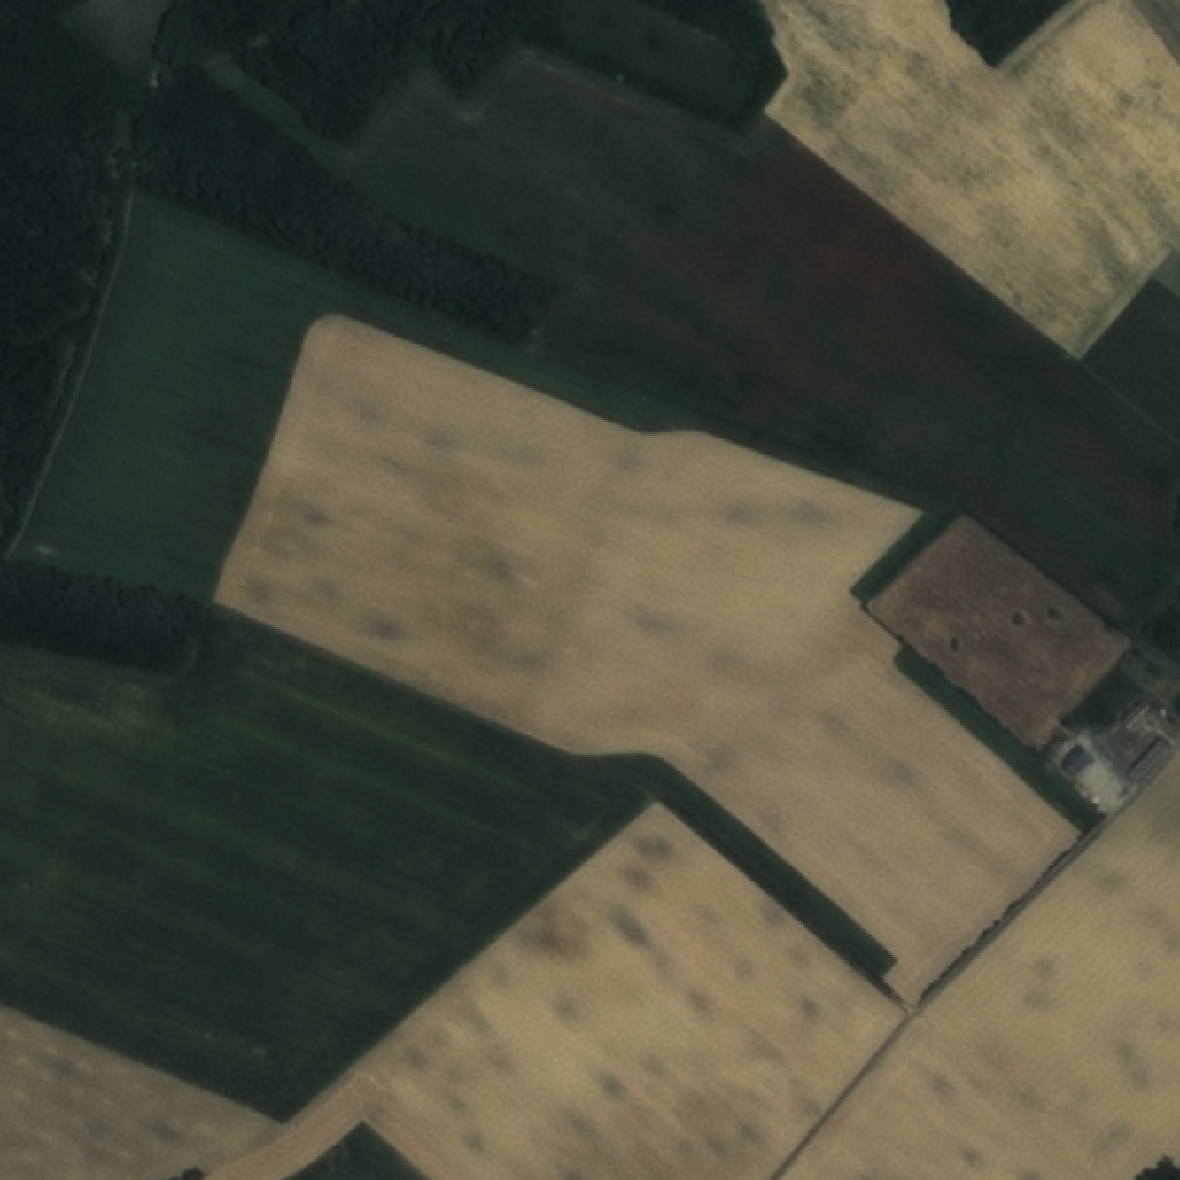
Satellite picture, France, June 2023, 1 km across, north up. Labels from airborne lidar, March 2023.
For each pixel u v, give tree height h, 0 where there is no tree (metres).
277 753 0
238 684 0
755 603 0
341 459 0
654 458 0
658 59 0
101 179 17
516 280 20
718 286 0
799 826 0
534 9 21
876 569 0
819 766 0
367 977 0
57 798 0
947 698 0
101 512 0
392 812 0
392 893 0
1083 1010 0
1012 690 0
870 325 0
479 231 0
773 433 0
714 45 0
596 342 0
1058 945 0
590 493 0
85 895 0
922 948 0
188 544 0
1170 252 0
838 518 0
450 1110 0
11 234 25
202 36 24
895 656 0
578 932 0
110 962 0
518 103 0
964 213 0
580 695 0
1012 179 0
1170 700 0
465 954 0
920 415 0
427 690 0
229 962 0
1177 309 0
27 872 0
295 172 16
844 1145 0
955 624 0
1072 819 0
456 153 0
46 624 19
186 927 0
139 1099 0
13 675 0
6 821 0
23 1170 0
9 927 0
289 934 0
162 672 14
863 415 0
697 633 0
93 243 20
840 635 0
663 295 0
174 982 0
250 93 0
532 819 0
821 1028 0
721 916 0
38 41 18
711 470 0
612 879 0
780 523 0
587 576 0
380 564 0
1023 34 12
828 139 0
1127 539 0
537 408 0
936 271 0
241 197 23
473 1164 0
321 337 0
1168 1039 0
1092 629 0
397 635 0
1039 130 0
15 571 21
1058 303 0
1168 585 0
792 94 0
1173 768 0
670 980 0
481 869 0
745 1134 0
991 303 0
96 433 0
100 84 19
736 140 0
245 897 0
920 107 0
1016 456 0
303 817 0
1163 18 0
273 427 0
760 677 0
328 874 0
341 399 0
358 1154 0
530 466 0
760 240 0
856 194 0
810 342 0
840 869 0
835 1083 0
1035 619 0
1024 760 0
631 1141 0
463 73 24
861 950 0
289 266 0
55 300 17
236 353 0
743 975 0
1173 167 0
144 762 0
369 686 0
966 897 0
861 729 0
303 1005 0
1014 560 0
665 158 0
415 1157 0
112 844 0
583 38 0
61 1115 0
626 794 0
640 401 0
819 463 0
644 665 0
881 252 0
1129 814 0
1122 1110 0
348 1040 0
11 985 0
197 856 0
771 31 20
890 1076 0
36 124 17
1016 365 0
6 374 9
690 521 0
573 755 0
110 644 18
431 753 0
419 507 0
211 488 0
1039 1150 0
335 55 26
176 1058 0
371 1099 0
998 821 0
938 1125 0
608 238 0
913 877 0
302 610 0
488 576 0
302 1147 0
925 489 0
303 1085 0
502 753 0
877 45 0
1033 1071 0
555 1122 0
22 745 0
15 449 17
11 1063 0
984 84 0
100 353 0
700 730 0
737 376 0
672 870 0
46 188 20
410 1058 0
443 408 0
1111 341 0
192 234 0
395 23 24
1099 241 0
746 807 0
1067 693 0
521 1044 0
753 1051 0
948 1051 0
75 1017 0
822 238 0
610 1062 0
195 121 24
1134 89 0
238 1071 0
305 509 0
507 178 0
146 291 0
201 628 17
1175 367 0
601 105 0
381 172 0
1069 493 0
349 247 22
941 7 0
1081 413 0
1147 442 0
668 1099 0
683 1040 0
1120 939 0
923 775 0
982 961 0
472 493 0
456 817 0
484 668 0
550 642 0
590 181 0
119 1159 0
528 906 0
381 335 0
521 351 0
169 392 0
